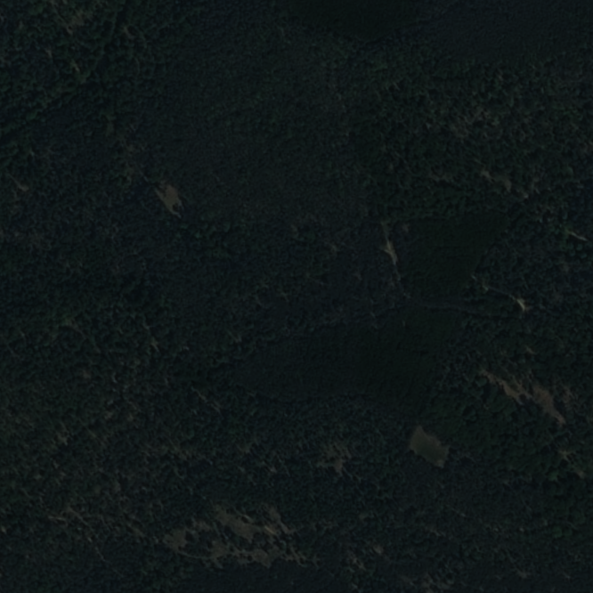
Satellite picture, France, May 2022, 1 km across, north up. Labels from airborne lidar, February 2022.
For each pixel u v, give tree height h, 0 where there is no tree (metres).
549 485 26
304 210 23
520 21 20
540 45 18
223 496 22
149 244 27
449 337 17
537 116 20
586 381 29
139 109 30
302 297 12
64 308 31
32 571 24
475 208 19
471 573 11
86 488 24
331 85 23
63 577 26
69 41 10
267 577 12
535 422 29
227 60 22
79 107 10
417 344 13
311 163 23
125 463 24
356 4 16
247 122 23
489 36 22
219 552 0
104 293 30
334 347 17
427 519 17
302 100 24
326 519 19
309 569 10
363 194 22
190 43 28
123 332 33
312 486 19
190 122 24
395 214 21
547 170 26
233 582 13
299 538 24
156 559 34
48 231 30
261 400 22
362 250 10
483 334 25
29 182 26
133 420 28
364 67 23
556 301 34
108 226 26
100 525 28
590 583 14
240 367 20
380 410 20
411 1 21
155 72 24
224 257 31
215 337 29
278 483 19
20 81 26
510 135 25
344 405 17
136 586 29
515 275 27
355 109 21
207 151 24
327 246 22
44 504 30
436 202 23
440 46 18
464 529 20
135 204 28
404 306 19
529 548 19
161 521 26
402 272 16
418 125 25
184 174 25
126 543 26
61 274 33
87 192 26
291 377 15
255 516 26
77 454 31
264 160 24
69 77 20
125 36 7
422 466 23
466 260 13
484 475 20
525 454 27
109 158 12
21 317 32
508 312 22
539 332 23
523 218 24
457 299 20
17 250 26
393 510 18
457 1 12
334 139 24
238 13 27
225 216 27
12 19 11
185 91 21
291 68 26
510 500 23
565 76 23
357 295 22
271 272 25
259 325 11
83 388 23
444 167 22
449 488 16
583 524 12
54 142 9
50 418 26
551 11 20
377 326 14
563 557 16
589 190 21
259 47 24
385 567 11
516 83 23
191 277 25
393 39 27
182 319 24
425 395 13
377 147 18
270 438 23
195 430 23
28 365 16
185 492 22
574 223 24
